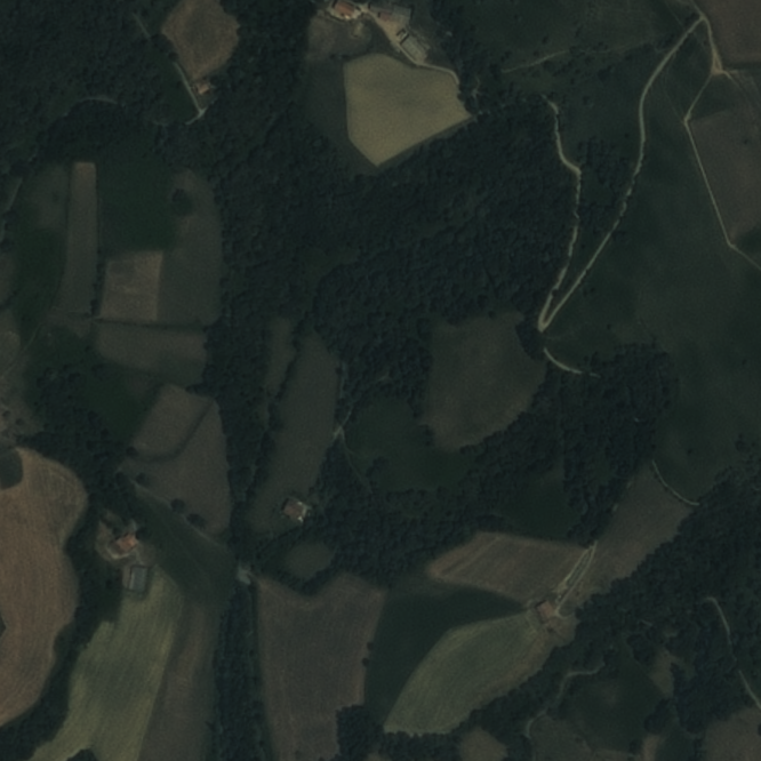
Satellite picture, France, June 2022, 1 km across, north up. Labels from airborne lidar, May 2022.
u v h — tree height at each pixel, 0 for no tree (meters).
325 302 19
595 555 0
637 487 0
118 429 0
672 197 0
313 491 10
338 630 0
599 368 14
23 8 15
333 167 18
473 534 8
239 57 20
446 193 23
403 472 0
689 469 0
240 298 11
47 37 19
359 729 17
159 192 0
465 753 0
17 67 16
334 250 27
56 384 22
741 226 0
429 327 13
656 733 14
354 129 0
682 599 19
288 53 24
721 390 0
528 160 8
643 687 0
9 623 0
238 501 17
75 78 11
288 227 16
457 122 0
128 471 0
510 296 8
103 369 17
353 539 14
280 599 0
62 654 0
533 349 21
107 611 0
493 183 9
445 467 0
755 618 14
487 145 23
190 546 0
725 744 0
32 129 16
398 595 0
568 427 20
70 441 15
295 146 27
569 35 0
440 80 0
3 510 0
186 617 0
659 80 0
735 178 0
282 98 22
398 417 0
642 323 0
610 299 0
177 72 0
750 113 0
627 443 23
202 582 0
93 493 12
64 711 13
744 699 7
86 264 0
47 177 0
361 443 0
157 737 0
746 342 0
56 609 0
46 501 0
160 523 0
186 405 0
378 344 7
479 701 0
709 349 0
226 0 15
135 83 12
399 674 0
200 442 0
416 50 0
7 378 0
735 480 9
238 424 21
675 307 0
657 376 18
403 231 15
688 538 17
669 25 0
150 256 0
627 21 0
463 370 0
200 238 0
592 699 0
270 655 0
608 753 0
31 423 0
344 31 0
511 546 0
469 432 0
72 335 0
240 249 14
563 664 7
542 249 15
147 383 0
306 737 0
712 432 0
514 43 0
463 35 15
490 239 19
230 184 17
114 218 0
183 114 0
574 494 9
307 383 0
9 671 0
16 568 0
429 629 0
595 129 0
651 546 0
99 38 15
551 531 0
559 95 11
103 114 19
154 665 0
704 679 20
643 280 0
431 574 0
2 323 0
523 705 12
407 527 14
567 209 16
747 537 19
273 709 0
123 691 0
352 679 0
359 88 0
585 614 18
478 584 0
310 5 20
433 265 9
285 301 19
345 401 10
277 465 0
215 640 0
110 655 0
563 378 11
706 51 0
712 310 0
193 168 17
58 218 0
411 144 0
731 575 20
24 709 0
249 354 24
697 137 0
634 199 10
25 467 0
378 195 22
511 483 24
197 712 0
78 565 7
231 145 13
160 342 0
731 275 0
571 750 0
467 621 0
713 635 28
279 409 17
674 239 0
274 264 21
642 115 0
